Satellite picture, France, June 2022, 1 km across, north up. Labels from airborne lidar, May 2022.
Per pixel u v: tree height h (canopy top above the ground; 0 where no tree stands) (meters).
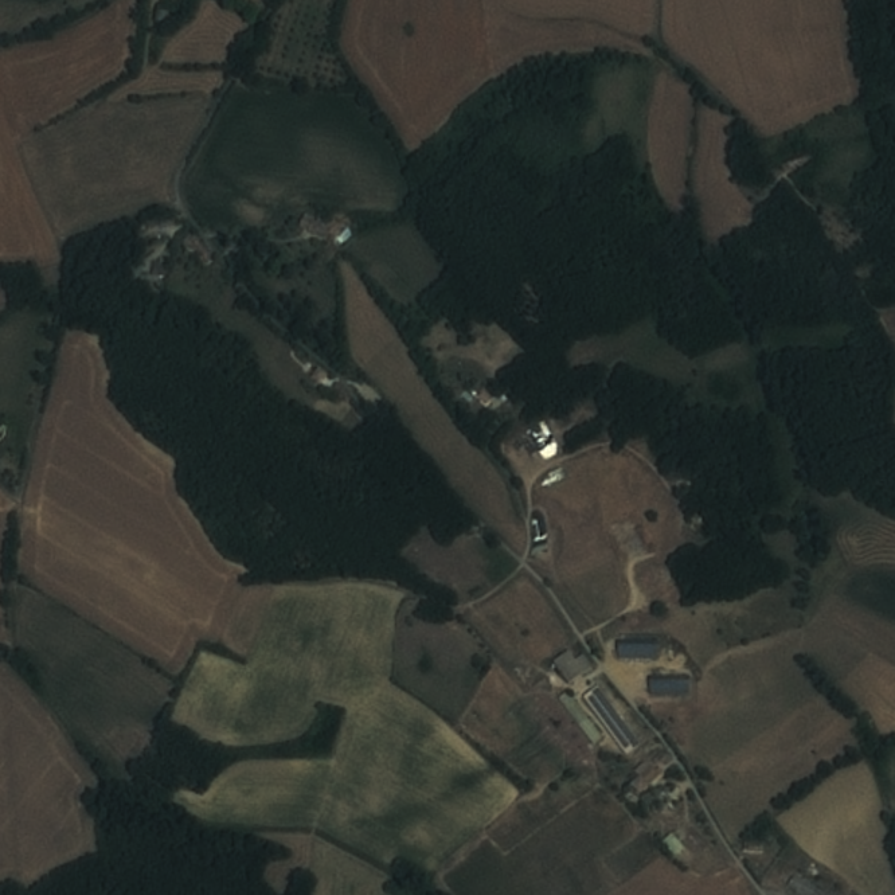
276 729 0
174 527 0
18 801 0
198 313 23
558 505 0
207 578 0
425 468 16
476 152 17
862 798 0
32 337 0
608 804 0
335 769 0
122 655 0
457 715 0
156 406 15
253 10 25
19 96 0
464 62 0
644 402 19
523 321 15
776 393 34
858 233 15
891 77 12
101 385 0
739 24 0
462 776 0
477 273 18
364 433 21
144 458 0
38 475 0
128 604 0
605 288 19
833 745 0
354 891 0
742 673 0
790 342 0
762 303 24
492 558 0
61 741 0
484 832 0
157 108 0
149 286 17
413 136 0
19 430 0
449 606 12
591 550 0
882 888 0
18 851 0
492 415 14
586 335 15
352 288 0
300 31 0
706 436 16
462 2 0
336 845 0
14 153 0
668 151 0
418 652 0
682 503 12
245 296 15
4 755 0
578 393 16
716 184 0
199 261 8
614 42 0
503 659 0
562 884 0
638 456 0
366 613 0
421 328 9
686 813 0
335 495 14
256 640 0
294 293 11
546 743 0
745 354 0
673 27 0
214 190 0
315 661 0
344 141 0
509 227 17
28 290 22
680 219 22
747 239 12
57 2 0
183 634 0
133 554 0
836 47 0
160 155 0
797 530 13
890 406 17
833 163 0
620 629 0
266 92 0
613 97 0
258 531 10
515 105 13
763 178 17
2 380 0
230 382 11
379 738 0
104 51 0
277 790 0
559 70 8
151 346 15
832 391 20
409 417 0
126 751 0
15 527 8
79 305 21
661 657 0
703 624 0
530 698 0
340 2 8
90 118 0
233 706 0
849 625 0
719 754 0
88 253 19
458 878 0
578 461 0
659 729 11
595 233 18
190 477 13
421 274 0
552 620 0
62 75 0
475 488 0
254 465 12
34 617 0
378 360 0
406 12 0
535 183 14
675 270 20
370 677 0
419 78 0
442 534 17
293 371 0
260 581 11
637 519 0
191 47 0
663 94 0
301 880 23
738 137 13
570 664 0
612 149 20
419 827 0
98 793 10
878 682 0
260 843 9
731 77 0
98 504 0
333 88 9
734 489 26
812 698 0
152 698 0
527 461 0
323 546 14
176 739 17
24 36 15
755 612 0
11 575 14
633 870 0
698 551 16
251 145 0
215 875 21
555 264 14
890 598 0
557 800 0
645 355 0
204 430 12
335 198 0
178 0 11
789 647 0
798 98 0
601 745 0
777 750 0
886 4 12
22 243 0
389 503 19
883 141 7
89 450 0
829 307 14
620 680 0
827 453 18
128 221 17
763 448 11
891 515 18
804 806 0
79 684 0
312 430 13
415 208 15
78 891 21
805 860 0
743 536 19
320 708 11
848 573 0
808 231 10
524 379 15
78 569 0
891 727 0
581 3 0
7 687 0
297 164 0
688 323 16
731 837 0
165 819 8
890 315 0
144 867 15
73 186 0
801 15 0
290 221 9
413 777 0
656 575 0
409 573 12
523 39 0
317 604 0
